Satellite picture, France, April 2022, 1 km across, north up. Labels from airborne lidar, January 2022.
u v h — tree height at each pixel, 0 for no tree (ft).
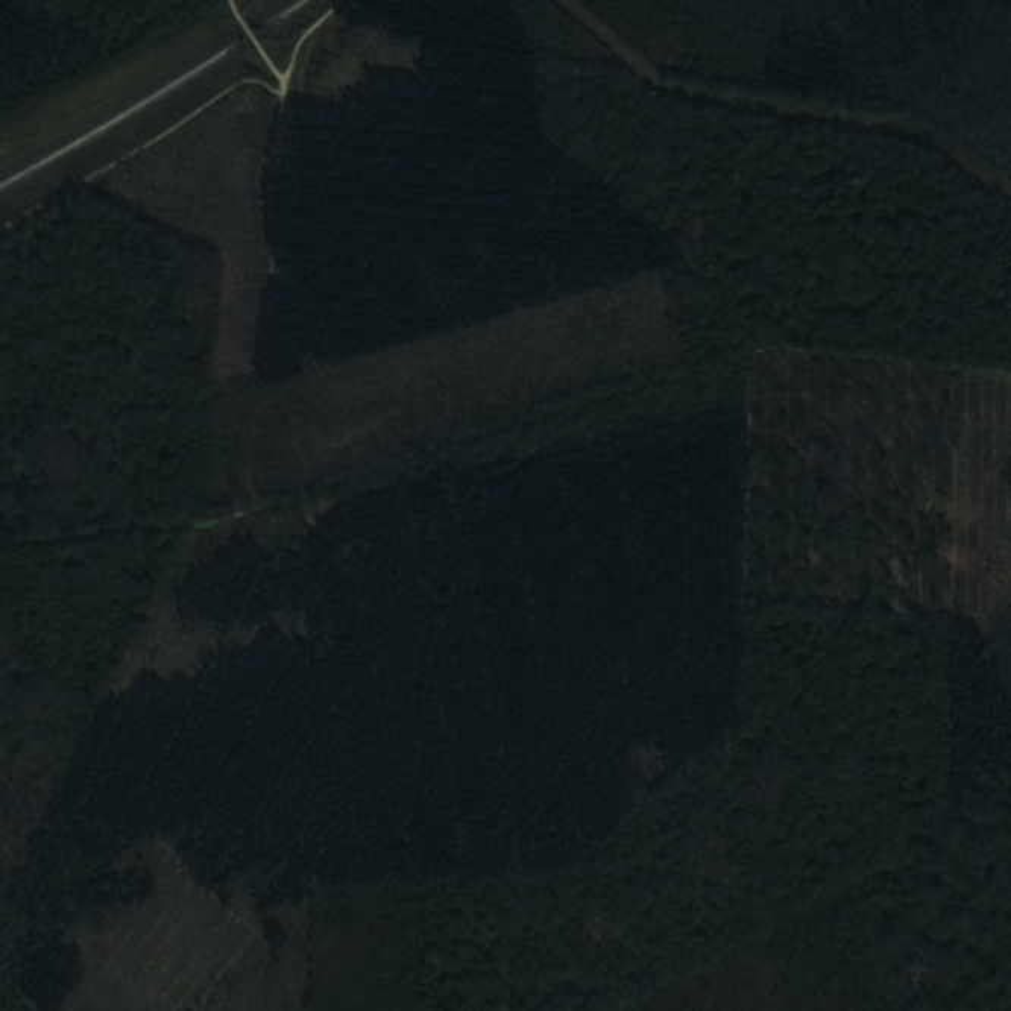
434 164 64
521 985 72
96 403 93
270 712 79
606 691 71
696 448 76
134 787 81
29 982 77
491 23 62
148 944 0
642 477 69
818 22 65
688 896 66
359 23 60
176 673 0
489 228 73
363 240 75
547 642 77
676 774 65
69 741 93
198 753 77
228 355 0
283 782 78
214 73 0
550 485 68
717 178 71
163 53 0
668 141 82
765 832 79
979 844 74
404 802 54
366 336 77
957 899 86
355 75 0
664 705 77
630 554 75
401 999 54
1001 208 87
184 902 0
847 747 82
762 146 76
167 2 84
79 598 69
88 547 81
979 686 74
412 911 50
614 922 78
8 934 88
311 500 75
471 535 67
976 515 0
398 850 72
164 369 89
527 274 64
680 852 66
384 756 70
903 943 79
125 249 98
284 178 77
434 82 66
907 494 69
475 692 75
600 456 76
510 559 66
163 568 89
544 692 69
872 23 66
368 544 75
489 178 69
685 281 83
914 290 76
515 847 85
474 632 71
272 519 71
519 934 72
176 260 72
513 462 80
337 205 71
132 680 0
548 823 75
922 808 67
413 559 71
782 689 75
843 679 80
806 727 78
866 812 71
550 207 76
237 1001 0
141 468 62
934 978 79
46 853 66
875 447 74
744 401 69
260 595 79
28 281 76
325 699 73
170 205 0
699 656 76
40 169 0
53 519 73
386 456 78
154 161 0
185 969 0
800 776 76
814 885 70
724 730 64
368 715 73
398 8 45
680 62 25
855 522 80
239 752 74
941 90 63
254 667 70
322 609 75
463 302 71
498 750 71
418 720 62
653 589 73
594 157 72
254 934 0
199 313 82
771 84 54
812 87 68
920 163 72
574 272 59
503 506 66
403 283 66
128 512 86
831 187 68
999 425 0
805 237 76
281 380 68
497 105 74
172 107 0
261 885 79
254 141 0
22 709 86
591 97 72
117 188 0
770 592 74
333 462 72
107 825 70
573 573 73
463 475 78
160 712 73
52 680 89
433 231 62
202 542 0
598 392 59
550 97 78
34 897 76
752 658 73
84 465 95
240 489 80
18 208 0
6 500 90
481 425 71
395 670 67
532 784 74
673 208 76
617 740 73
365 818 76
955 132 63
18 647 96
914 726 70
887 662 80
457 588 59
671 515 72
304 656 57
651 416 58
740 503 76
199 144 0
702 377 72
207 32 0
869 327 77
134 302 86
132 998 0
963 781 66
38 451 79
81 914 87
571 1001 83
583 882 81
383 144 67
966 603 0
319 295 74
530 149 71
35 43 68
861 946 53
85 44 72
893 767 79
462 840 89
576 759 73
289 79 0
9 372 69
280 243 74
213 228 0
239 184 0
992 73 73
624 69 76
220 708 77
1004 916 78
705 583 75
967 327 80
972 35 61
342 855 68
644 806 56
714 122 74
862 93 67
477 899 70
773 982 53
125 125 0
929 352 75
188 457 74
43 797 78
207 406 83
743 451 70
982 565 0
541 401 79
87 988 0
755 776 71
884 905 43
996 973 72
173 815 74
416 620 64
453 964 72
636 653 73
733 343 67
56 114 0
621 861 87
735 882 73
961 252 79
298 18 0
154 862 0
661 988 77
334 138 72
